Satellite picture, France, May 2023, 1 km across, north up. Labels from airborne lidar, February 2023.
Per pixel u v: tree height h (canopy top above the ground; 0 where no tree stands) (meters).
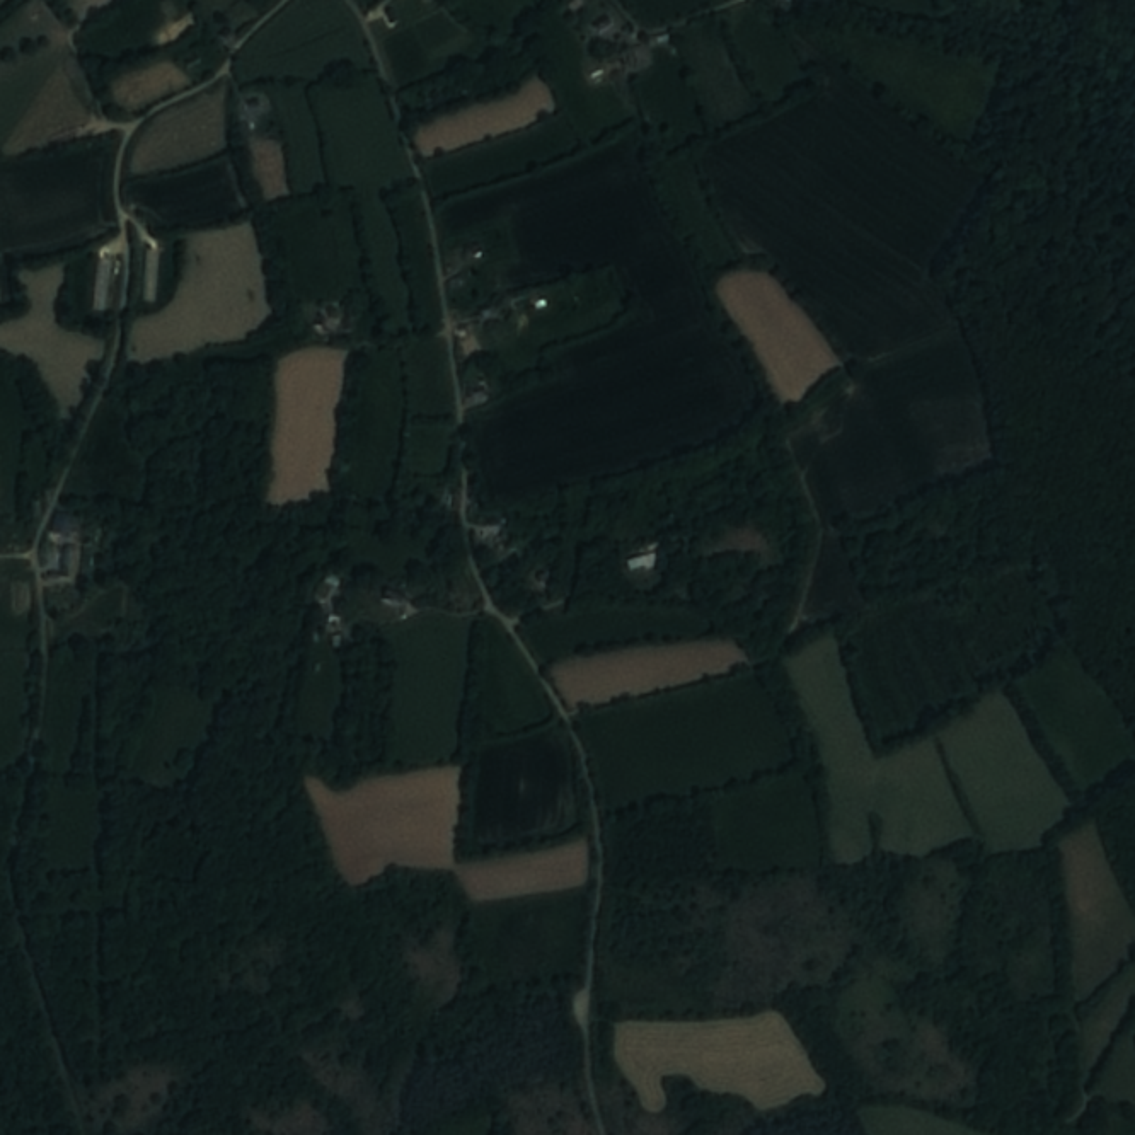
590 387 0
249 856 16
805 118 0
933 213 0
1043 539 16
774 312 0
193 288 0
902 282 0
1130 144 27
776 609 11
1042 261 19
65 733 0
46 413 15
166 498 11
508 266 0
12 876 16
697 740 0
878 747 15
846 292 0
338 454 8
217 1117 11
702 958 8
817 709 0
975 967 7
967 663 0
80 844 0
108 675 17
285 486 0
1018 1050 12
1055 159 24
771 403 14
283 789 14
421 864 0
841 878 10
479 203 0
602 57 11
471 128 0
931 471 0
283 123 0
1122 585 15
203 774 20
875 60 0
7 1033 17
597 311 0
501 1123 7
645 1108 0
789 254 0
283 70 0
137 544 14
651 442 0
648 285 0
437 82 9
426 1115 14
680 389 0
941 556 10
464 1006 10
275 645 9
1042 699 0
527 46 15
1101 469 15
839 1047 13
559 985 10
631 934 14
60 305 10
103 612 0
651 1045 0
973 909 11
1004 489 21
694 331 0
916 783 0
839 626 15
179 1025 14
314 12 0
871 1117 0
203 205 0
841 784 0
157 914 15
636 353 0
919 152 0
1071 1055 14
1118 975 9
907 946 8
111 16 8
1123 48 27
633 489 7
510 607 12
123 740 10
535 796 0
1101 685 16
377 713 9
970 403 0
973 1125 11
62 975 16
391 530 15
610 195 0
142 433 17
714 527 11
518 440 0
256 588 15
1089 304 23
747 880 7
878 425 0
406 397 6
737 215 0
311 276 0
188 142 0
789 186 0
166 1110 9
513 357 0
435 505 14
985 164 19
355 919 14
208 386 13
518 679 0
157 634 15
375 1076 14
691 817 8
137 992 10
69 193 0
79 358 0
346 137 0
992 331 21
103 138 7
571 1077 10
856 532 10
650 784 0
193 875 14
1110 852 8
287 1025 10
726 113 0
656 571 9
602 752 0
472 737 16
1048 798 0
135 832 15
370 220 0
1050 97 25
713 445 10
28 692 7
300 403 0
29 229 0
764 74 0
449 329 0
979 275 24
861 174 0
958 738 0
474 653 14
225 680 7
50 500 0
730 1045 0
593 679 0
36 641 6
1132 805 17
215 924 9
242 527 12
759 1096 0
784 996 7
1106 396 17
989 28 21
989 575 18
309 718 0
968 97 0
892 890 14
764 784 11
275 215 8
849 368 14
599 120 0
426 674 0
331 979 9
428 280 0
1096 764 0
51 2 11
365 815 0
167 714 0
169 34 0
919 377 0
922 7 0
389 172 0
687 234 8
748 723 0
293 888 11
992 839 0
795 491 13
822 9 21
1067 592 15
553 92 7
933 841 0
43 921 13
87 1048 10
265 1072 14
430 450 0
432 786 0
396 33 0
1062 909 11
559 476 0
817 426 0
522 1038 12
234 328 0
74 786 16
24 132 0
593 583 15
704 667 0
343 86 12
